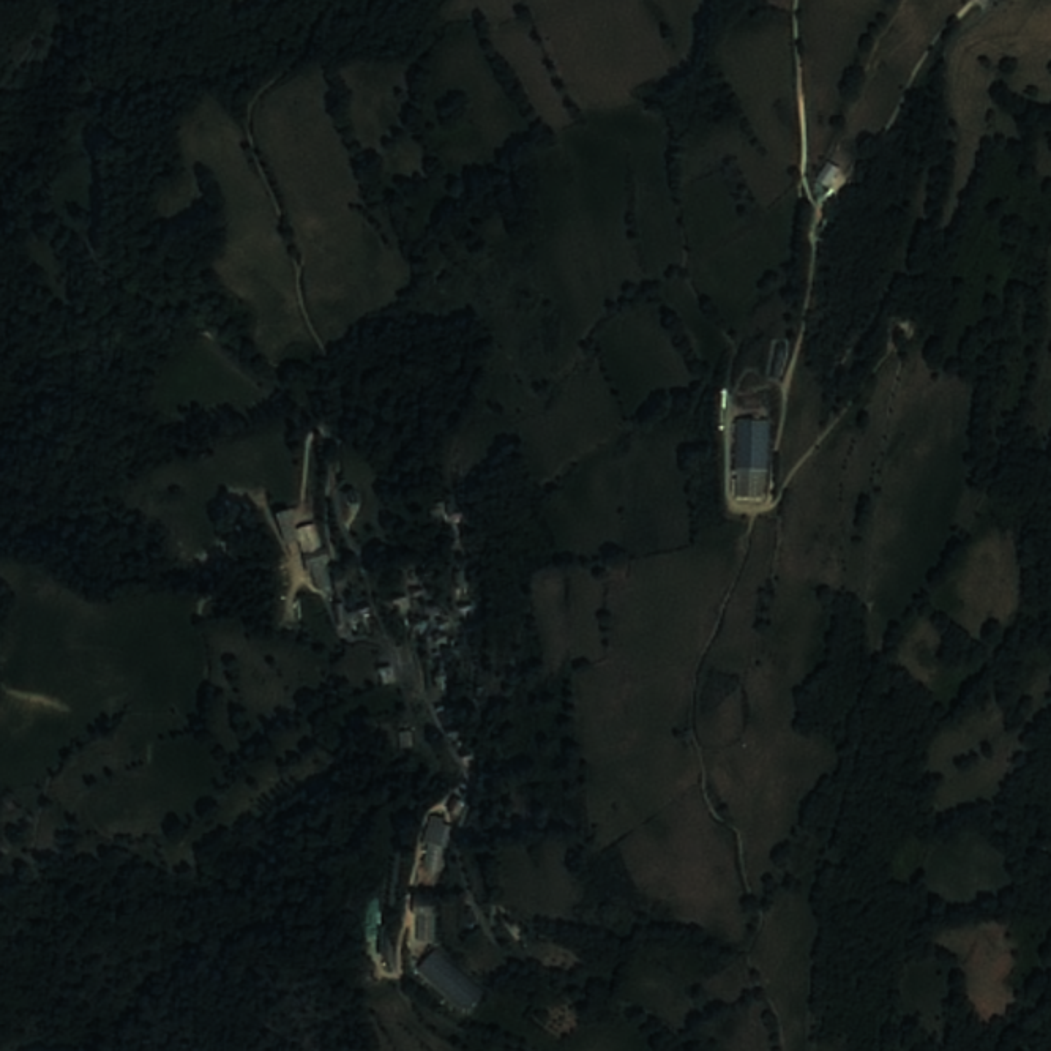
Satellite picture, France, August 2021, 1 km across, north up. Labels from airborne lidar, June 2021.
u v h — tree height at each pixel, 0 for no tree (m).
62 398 17
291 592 0
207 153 0
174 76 28
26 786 0
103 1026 13
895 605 0
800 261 14
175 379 0
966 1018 16
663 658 0
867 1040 10
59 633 0
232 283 0
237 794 0
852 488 0
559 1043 8
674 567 0
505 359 0
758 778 0
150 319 28
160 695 0
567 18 0
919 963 17
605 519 0
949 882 0
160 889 11
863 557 0
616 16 0
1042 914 17
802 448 0
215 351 0
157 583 9
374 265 0
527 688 8
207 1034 21
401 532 15
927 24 0
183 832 19
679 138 14
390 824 0
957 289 13
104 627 0
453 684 9
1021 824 26
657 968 0
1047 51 0
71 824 16
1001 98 21
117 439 20
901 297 20
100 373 27
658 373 0
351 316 0
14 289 25
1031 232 15
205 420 27
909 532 0
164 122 22
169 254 21
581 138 0
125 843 10
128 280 23
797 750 0
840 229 17
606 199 0
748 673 0
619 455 0
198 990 24
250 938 31
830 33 0
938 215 18
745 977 0
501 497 19
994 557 0
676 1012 0
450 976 0
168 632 0
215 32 23
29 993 23
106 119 19
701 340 0
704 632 0
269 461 0
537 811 11
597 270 0
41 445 18
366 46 28
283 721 9
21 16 19
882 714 20
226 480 0
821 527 0
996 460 13
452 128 16
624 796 0
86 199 0
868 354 19
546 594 0
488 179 23
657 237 0
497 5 0
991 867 0
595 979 10
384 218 0
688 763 0
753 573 0
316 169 0
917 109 17
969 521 0
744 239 0
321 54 27
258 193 0
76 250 18
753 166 0
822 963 14
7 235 23
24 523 21
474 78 0
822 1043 7
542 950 0
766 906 12
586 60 0
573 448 0
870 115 0
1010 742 0
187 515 0
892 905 21
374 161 20
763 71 0
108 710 0
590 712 0
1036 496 21
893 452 0
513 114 0
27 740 0
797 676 0
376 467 13
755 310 0
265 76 21
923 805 27
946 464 0
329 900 21
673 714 0
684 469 13
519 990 23
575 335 0
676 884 0
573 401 0
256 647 0
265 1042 20
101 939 9
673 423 0
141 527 17
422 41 24
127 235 20
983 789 0
